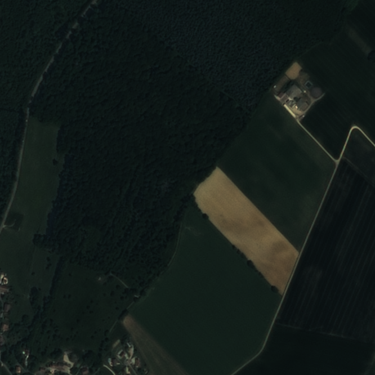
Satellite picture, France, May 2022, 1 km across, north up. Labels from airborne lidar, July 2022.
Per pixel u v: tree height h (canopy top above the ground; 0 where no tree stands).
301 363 0
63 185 20
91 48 22
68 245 29
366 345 0
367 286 0
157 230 31
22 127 37
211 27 17
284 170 0
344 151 0
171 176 31
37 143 0
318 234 0
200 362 0
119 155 27
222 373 0
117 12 26
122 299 13
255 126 0
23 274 0
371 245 0
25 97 9
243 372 0
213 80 18
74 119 26
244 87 22
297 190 0
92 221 30
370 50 0
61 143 25
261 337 0
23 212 0
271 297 0
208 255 0
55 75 21
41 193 0
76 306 0
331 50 0
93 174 32
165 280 0
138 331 0
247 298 0
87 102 26
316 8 13
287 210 0
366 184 0
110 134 31
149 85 29
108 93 28
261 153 0
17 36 7
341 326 0
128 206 19
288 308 0
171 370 0
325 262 0
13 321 0
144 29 24
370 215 0
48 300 12
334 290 0
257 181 0
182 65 25
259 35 14
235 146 0
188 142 26
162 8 19
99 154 30
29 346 8
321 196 0
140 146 27
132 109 24
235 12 20
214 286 0
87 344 0
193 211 0
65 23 8
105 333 11
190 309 0
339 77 0
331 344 0
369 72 0
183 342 0
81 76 17
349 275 0
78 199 32
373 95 0
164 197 30
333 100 0
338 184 0
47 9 19
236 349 0
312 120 0
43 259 0
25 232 0
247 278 0
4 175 24
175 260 0
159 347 0
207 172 28
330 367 0
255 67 23
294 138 0
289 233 0
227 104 32
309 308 0
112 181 25
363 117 0
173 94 28
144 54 31
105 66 33
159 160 28
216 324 0
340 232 0
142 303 0
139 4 20
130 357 0
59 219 32
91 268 8
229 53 21
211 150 25
